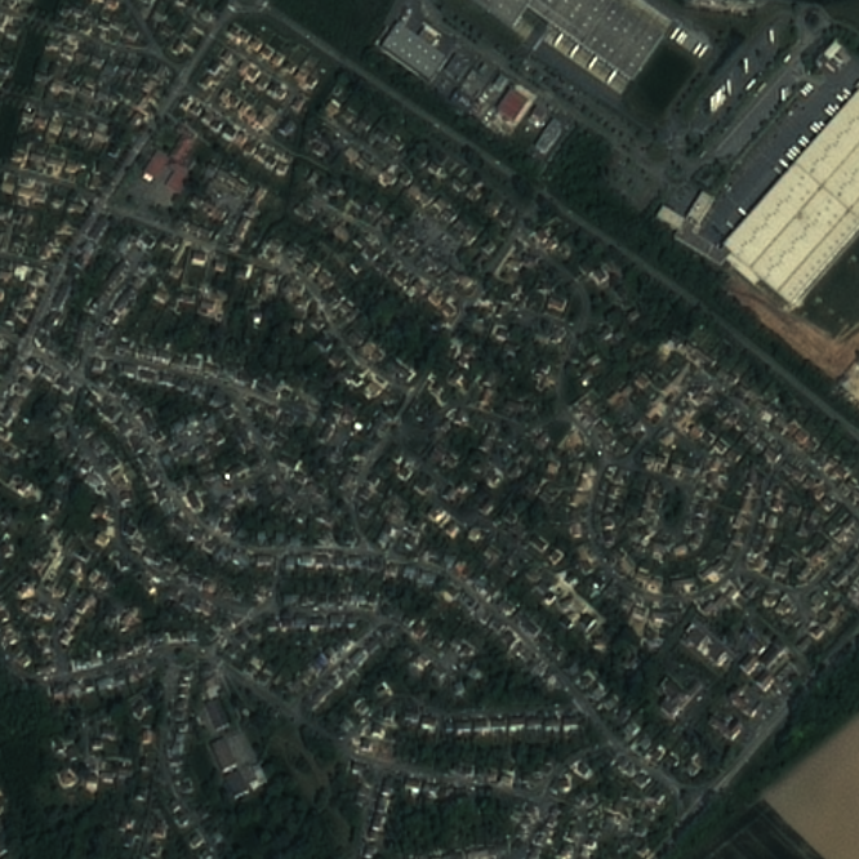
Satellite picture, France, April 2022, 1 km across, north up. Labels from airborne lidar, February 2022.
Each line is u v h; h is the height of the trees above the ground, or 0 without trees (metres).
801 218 0
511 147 8
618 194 8
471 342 16
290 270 0
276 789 17
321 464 9
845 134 0
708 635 0
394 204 6
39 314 0
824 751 0
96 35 0
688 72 0
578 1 0
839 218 0
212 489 0
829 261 0
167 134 0
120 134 9
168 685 0
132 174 9
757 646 0
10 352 8
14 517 13
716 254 0
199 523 0
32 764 9
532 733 0
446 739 7
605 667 8
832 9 0
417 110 0
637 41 0
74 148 7
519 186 21
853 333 0
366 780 14
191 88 0
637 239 7
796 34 7
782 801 0
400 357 13
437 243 0
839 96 0
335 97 0
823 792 0
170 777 0
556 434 0
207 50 0
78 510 12
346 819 10
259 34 0
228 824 13
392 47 0
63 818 14
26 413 0
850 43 11
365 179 0
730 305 12
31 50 0
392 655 12
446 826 12
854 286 0
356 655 0
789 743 17
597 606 7
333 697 0
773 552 9
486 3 0
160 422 7
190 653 0
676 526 0
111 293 0
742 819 0
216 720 0
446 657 0
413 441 0
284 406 0
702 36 0
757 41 0
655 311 9
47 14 7
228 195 0
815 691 16
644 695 25
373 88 6
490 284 14
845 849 0
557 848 0
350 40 0
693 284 14
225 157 10
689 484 0
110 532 0
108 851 16
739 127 0
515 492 7
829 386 10
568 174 8
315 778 0
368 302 13
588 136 8
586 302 0
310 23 0
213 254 0
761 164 0
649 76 0
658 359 14
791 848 0
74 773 16
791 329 0
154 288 8
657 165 0
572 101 7
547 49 0
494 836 6
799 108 0
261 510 11
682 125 0
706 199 0
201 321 11
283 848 18
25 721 19
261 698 0
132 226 7
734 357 13
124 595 6
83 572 5
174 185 0
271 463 0
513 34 0
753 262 0
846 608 9
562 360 10
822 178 0
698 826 18
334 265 16
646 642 7
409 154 9
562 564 7
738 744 0
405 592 9
